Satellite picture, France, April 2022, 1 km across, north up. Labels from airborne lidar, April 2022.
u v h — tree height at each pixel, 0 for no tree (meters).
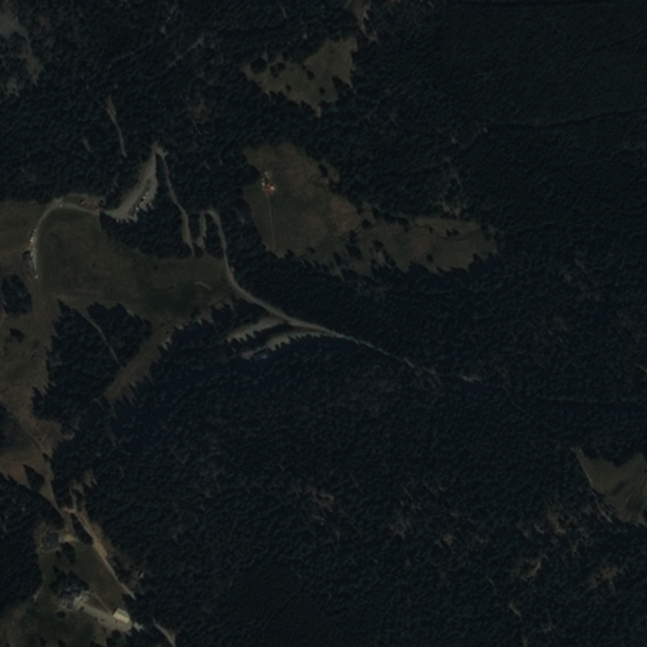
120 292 0
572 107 18
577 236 20
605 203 24
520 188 21
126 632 0
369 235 0
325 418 11
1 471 0
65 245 0
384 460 17
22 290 19
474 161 20
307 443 17
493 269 17
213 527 22
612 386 28
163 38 31
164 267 0
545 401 20
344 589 19
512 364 28
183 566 18
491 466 28
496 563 18
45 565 0
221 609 22
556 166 19
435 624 10
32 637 0
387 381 27
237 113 37
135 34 12
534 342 26
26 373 0
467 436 32
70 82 24
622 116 22
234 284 0
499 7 23
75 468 19
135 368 0
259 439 18
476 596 12
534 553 15
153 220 21
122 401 0
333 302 17
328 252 0
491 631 19
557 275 7
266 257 20
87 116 29
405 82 22
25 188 18
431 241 0
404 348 19
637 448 21
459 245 0
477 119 16
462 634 16
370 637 18
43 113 27
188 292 0
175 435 13
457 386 28
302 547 25
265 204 0
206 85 25
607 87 17
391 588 17
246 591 20
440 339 17
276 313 0
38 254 0
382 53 20
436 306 20
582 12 21
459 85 14
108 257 0
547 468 25
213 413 22
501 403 25
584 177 24
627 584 15
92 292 0
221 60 23
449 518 12
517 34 19
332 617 19
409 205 24
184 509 24
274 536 22
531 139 26
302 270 18
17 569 16
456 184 20
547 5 21
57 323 0
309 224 0
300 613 18
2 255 0
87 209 0
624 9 21
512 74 17
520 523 16
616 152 15
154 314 0
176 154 27
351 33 19
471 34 16
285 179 0
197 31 16
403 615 22
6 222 0
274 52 18
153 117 10
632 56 17
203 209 20
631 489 0
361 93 21
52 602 0
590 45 19
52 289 0
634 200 24
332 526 21
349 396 18
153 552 7
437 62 23
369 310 16
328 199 0
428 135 19
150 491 16
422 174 17
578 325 30
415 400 23
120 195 26
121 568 12
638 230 24
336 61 0
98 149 24
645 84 14
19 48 18
